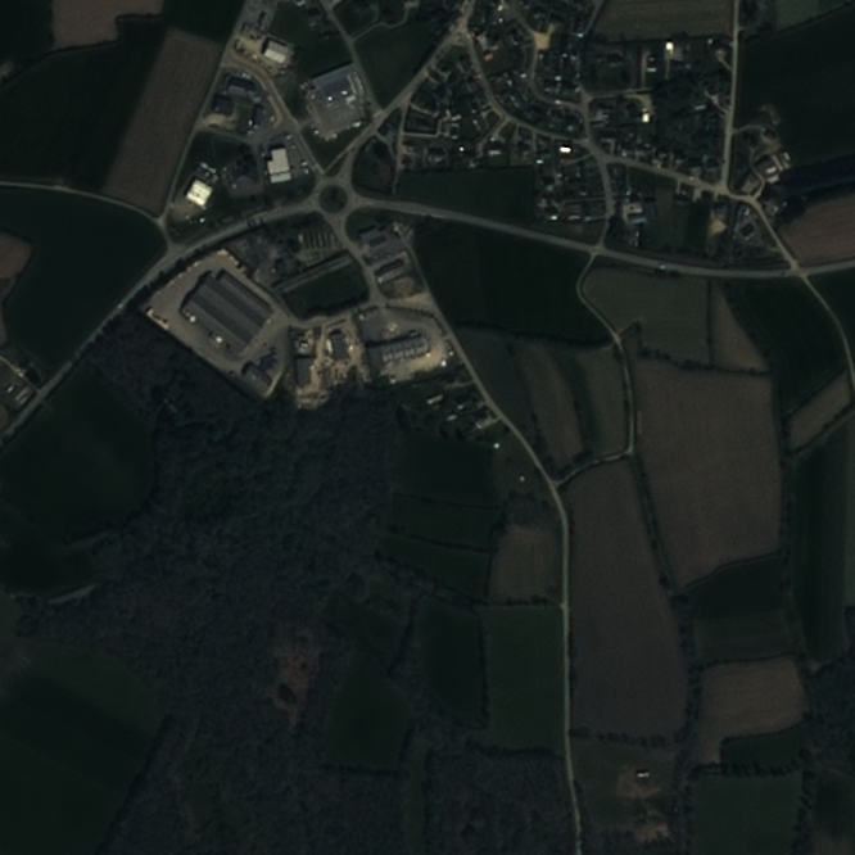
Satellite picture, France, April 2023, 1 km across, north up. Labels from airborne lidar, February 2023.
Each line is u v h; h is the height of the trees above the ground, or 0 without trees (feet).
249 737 59
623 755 0
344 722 0
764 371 0
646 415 0
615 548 0
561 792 47
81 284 0
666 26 0
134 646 53
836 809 0
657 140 31
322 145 0
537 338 29
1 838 0
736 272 0
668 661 0
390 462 46
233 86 0
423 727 51
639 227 17
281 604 58
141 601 48
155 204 0
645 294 0
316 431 24
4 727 0
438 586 50
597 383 0
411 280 0
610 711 0
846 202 0
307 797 47
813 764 66
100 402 0
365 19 0
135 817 61
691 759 53
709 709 0
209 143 0
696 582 0
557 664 0
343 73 0
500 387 0
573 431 0
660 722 0
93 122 0
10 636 0
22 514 0
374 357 0
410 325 0
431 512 0
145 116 0
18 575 0
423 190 0
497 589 0
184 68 0
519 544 0
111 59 0
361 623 0
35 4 0
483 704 35
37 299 0
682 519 0
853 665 48
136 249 0
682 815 59
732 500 0
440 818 49
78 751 0
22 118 0
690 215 0
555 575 0
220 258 0
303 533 58
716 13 0
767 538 0
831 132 0
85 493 0
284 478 34
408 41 0
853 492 0
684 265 0
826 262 0
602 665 0
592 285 0
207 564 54
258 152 0
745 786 0
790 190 41
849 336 0
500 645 0
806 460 0
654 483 0
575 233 0
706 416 0
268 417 49
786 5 0
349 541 64
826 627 0
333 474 39
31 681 0
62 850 0
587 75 34
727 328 0
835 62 0
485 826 54
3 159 0
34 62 24
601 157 0
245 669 55
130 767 0
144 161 0
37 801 0
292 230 23
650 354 37
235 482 40
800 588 0
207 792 0
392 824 40
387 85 0
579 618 0
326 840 36
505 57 0
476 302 0
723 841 0
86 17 0
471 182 0
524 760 40
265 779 51
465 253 0
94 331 0
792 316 0
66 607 26
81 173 0
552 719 0
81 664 0
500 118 0
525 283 0
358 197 0
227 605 50
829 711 35
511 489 0
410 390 0
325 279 0
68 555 0
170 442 37
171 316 0
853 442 0
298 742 40
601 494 0
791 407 0
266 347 0
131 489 0
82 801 0
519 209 0
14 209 0
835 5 0
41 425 0
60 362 0
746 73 0
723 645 0
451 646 0
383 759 0
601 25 0
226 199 0
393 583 53
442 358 0
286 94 0
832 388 0
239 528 32
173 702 57
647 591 0
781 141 0
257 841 28
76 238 0
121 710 0
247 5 0
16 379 0
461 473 0
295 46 0
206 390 46
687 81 37
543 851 26
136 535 83
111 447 0
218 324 0
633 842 53
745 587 0
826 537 0
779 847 0
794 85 0
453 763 62
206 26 0
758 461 0
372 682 0
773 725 0
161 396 54
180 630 29
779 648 0
